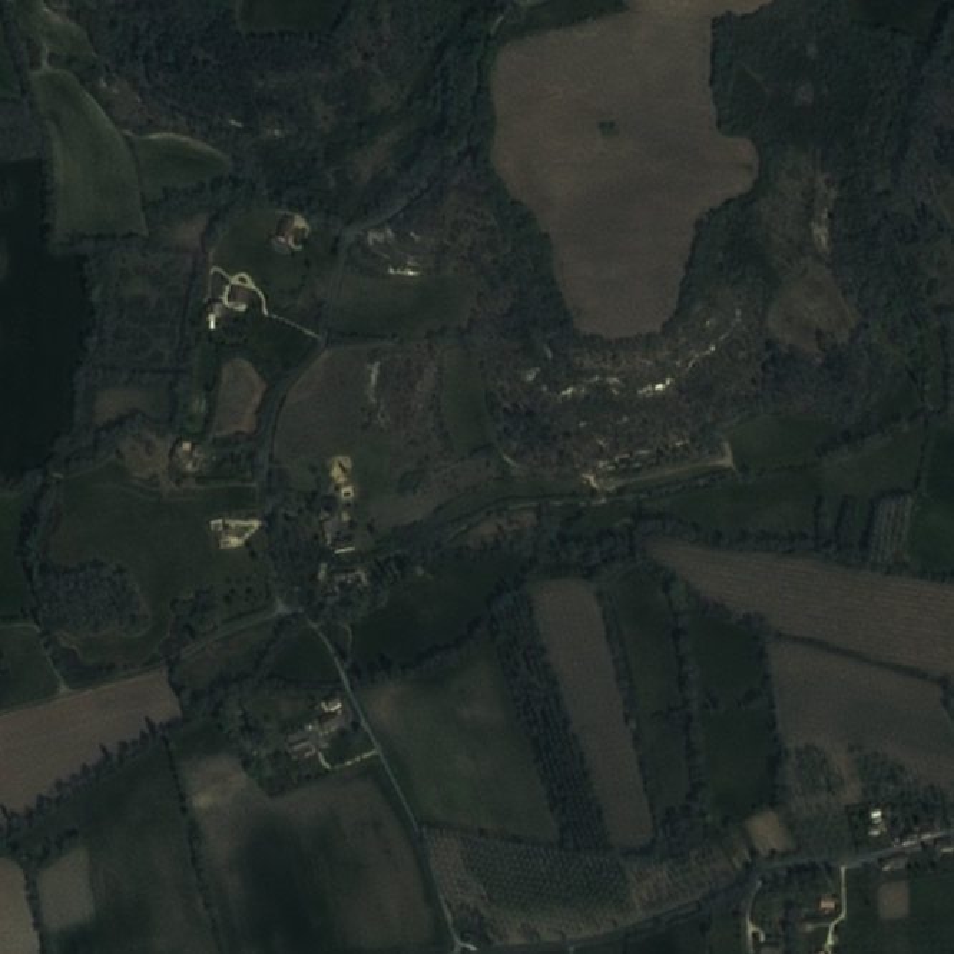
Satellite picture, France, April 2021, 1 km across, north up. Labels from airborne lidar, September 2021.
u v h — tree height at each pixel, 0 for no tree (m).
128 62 16
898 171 16
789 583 0
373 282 0
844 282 20
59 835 0
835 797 16
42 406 0
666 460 17
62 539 0
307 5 0
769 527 0
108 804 0
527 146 0
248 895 0
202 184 0
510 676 7
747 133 9
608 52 0
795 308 0
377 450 0
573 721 17
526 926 26
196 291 17
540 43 0
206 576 0
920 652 0
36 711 0
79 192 0
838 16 19
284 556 14
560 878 24
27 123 17
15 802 0
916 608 0
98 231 0
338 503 13
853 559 21
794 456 0
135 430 11
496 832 0
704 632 0
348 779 0
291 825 0
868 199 15
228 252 0
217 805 0
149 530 0
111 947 0
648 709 0
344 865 0
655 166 0
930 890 0
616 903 27
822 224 0
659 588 0
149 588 0
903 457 0
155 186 0
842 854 11
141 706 0
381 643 0
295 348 0
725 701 0
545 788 8
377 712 0
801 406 24
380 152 0
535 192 0
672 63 0
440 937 0
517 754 0
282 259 0
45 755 0
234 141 11
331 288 0
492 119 14
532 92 0
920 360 14
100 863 0
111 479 0
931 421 12
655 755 0
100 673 10
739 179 0
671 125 0
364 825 0
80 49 0
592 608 0
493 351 14
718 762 0
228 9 18
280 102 10
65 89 0
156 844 0
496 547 7
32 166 0
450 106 15
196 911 0
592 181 0
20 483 12
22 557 6
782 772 23
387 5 12
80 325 0
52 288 0
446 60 21
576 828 20
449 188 11
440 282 0
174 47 15
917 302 23
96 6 12
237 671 0
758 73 6
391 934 0
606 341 7
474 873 23
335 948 0
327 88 16
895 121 12
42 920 13
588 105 0
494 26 9
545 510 12
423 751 0
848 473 0
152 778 0
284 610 0
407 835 0
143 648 0
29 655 0
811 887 10
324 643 0
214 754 0
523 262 16
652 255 0
